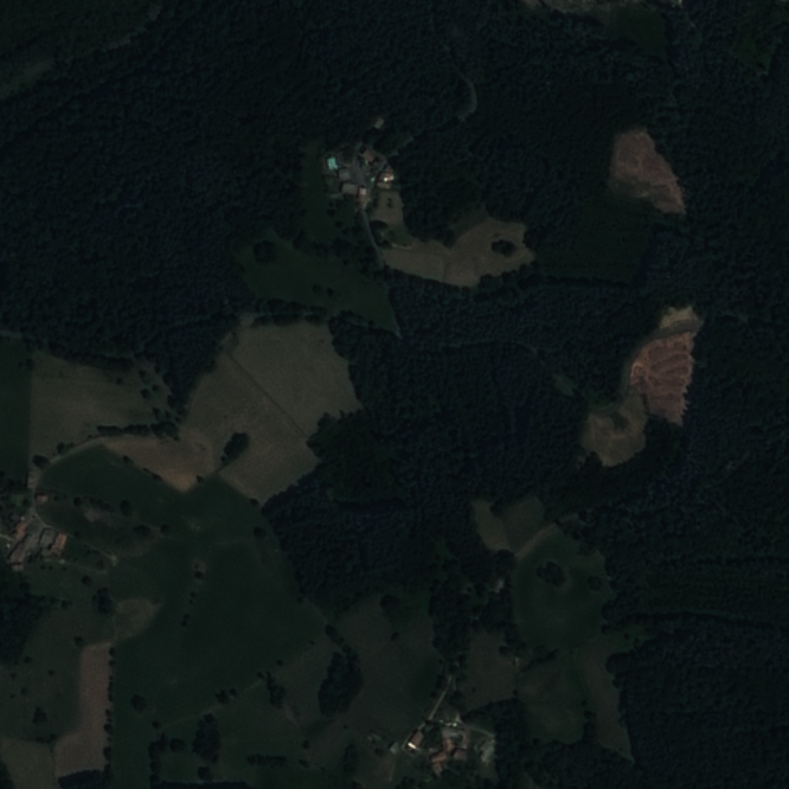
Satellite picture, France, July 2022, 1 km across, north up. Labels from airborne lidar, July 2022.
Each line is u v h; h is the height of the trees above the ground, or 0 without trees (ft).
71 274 99
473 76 69
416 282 72
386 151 40
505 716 59
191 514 0
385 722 0
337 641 38
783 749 81
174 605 0
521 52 48
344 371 0
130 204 100
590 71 92
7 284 87
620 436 0
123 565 0
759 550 62
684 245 104
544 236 113
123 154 73
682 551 62
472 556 63
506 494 81
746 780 74
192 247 82
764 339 79
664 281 94
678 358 0
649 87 85
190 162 84
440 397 128
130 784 0
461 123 70
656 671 93
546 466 106
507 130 33
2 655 75
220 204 76
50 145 79
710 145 76
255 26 69
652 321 73
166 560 0
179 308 92
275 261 32
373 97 86
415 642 0
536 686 0
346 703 38
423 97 110
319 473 41
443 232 67
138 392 0
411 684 0
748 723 66
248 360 0
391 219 0
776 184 98
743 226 69
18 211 105
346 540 47
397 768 0
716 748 73
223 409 0
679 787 49
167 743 46
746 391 111
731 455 66
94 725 0
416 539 58
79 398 0
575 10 0
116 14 54
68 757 0
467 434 118
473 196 39
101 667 0
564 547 0
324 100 61
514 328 92
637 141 0
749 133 84
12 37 49
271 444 0
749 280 30
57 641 0
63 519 0
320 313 43
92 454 0
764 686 87
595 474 36
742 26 19
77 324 58
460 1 94
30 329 70
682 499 68
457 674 62
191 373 103
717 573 56
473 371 82
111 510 21
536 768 46
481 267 0
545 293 91
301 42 77
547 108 37
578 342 88
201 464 0
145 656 0
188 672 0
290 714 0
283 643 0
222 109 78
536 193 104
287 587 0
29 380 0
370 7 113
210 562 0
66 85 79
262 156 81
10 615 73
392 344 103
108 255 88
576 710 0
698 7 96
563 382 0
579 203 105
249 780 0
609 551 77
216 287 104
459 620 47
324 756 0
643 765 85
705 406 76
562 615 0
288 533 50
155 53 21
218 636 0
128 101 78
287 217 78
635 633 0
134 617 0
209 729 42
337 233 0
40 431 0
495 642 0
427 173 51
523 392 100
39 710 28
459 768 25
